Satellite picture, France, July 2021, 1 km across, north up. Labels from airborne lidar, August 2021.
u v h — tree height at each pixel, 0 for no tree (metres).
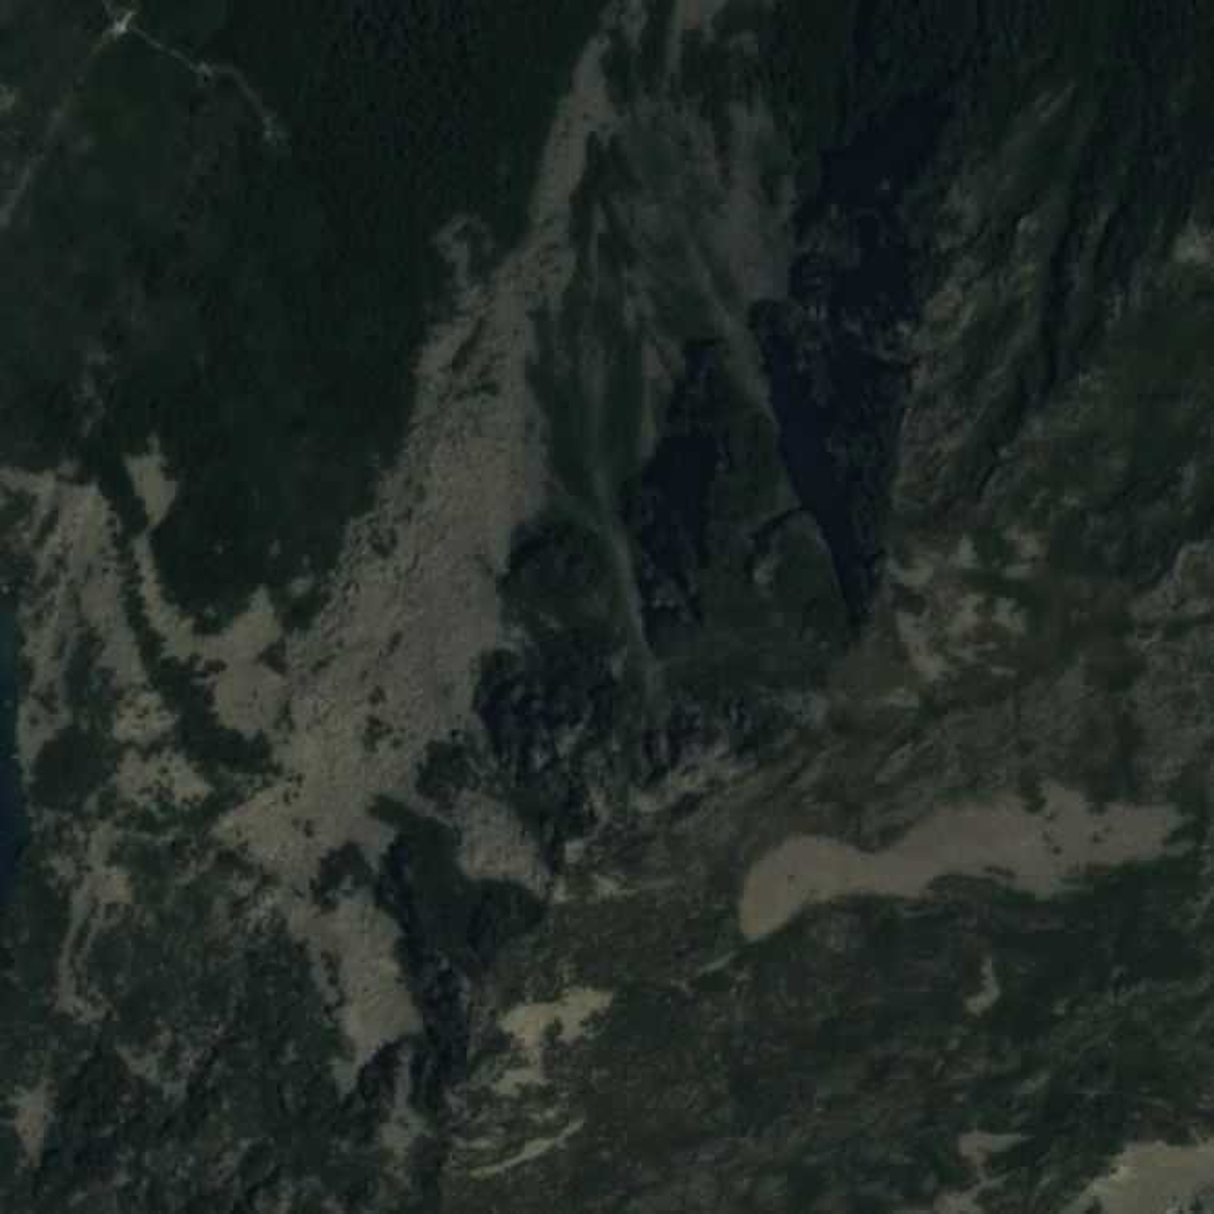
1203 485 0
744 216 0
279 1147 0
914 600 6
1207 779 0
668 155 0
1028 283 0
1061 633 0
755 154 0
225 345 8
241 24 9
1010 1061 0
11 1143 0
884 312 7
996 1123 0
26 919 0
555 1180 0
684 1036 0
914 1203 0
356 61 8
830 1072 0
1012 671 0
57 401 6
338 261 6
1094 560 0
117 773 0
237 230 7
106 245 0
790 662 0
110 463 6
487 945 6
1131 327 0
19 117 0
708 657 0
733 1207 0
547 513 0
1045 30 9
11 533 0
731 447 8
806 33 11
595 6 6
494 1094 0
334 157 10
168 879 0
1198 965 0
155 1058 0
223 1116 0
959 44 8
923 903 0
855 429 6
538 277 0
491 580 0
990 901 0
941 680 0
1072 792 0
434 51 17
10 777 0
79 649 0
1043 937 0
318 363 7
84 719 0
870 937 0
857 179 10
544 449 0
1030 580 0
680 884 0
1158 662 0
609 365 0
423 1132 0
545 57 7
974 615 0
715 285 0
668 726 0
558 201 0
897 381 6
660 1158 0
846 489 6
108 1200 0
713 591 0
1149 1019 0
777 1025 0
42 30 0
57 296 0
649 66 5
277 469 0
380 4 19
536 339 0
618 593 0
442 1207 0
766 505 0
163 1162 0
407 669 0
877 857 0
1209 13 10
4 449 0
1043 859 0
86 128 0
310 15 9
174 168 0
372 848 0
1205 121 13
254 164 6
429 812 0
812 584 0
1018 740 0
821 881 0
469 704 0
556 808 0
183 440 7
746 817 0
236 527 5
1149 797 0
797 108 9
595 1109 0
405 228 10
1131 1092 0
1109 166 9
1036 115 0
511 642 0
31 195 0
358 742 0
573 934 0
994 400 0
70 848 0
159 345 0
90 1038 0
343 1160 0
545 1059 0
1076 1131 7
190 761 0
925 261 6
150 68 0
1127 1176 0
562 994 0
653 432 0
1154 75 7
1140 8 8
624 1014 0
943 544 0
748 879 0
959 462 0
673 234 0
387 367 7
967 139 8
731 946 0
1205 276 0
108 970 0
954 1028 0
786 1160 0
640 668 0
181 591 7
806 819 0
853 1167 0
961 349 0
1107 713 0
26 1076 0
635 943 0
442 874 0
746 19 6
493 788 0
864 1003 0
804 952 0
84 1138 0
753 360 0
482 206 7
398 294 7
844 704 0
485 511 0
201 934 0
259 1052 0
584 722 6
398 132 10
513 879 0
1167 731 0
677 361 0
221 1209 0
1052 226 0
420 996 0
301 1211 0
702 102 6
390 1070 6
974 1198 0
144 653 6
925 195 8
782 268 0
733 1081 0
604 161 6
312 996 0
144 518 8
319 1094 0
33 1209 0
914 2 12
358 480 0
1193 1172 0
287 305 6
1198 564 0
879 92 10
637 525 8
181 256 7
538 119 6
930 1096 0
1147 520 0
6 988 0
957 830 0
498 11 7
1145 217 6
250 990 0
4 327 0
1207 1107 0
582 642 6
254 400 0
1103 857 0
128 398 8
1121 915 0
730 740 0
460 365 5
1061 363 7
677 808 0
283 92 7
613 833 8
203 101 6
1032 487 0
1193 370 0
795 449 0
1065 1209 0
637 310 0
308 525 0
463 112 10
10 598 0
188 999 0
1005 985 0
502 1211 0
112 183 0
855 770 0
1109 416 0
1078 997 0
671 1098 0
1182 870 0
